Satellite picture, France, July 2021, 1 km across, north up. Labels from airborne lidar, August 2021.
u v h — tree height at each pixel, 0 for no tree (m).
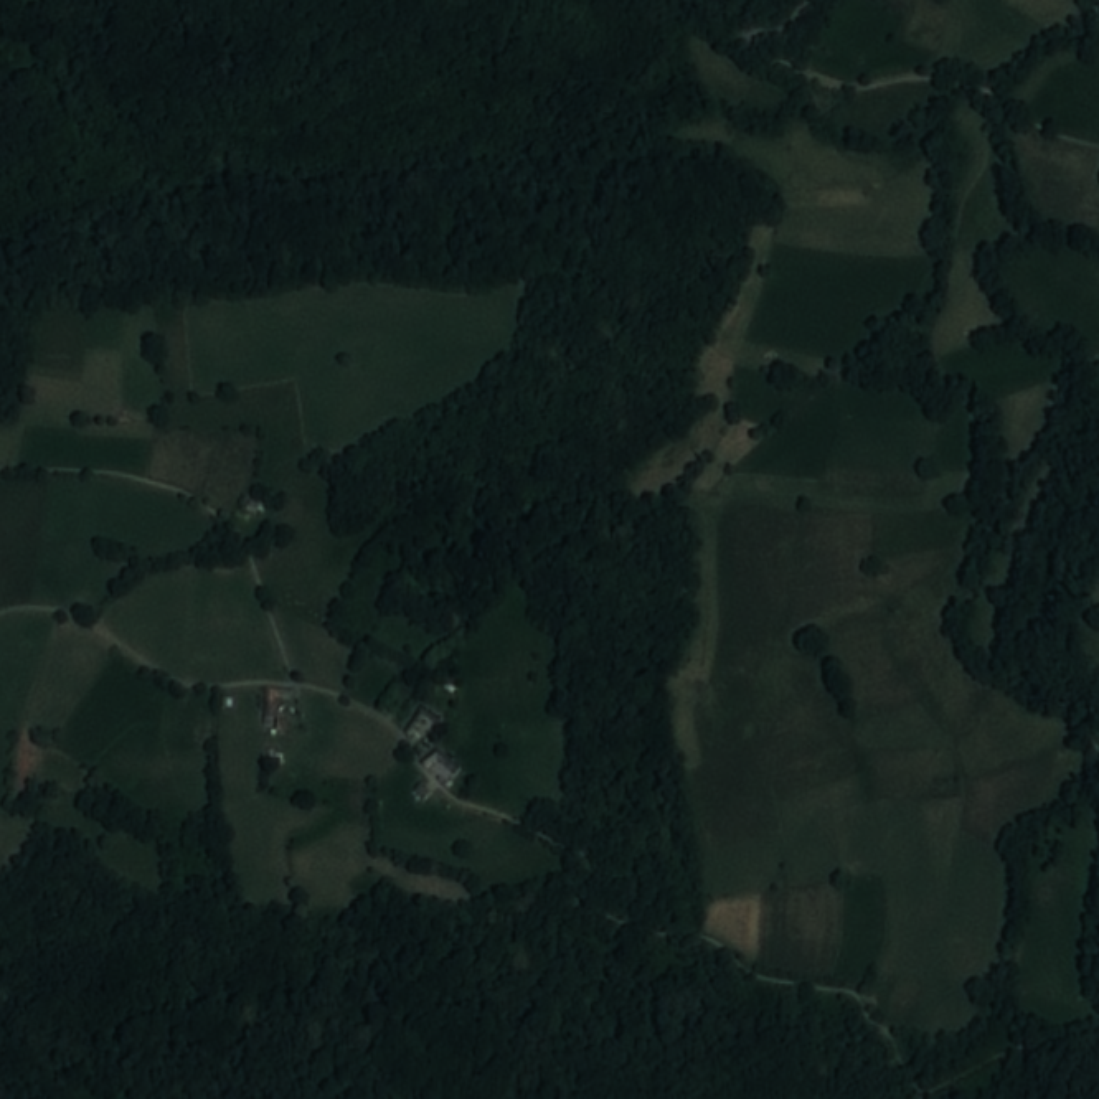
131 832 19
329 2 28
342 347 0
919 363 29
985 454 28
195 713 0
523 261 23
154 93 20
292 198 31
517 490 21
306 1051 15
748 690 0
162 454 0
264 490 12
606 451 26
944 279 14
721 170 25
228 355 0
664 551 22
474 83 14
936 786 0
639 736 25
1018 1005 11
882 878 0
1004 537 23
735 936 0
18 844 0
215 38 23
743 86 0
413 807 0
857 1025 21
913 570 0
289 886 12
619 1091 21
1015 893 18
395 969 31
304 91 22
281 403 0
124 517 0
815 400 0
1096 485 26
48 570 0
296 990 24
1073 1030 17
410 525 14
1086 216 0
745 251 15
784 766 0
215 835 18
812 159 0
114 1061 27
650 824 34
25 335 18
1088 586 21
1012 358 0
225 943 13
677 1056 22
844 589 0
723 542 0
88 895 17
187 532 0
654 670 28
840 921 0
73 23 12
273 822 0
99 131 16
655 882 22
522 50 26
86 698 0
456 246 26
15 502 0
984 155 0
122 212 19
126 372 0
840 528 0
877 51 0
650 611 26
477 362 0
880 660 0
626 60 17
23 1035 29
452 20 18
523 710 0
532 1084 23
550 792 0
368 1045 18
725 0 21
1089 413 28
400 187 22
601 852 22
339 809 0
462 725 0
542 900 20
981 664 25
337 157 16
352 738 0
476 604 20
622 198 30
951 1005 0
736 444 0
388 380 0
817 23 24
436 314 0
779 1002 14
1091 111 0
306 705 0
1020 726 0
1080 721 23
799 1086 21
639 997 25
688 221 18
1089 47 23
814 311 0
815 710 0
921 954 0
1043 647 27
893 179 0
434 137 17
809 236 0
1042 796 0
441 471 26
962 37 0
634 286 27
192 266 27
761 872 0
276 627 0
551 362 20
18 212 8
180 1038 25
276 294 6
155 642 0
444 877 17
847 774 0
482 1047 38
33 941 11
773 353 0
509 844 0
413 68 16
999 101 14
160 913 19
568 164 29
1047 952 0
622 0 23
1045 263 0
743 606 0
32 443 0
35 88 37
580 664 31
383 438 17
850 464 0
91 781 14
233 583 0
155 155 11
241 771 0
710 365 0
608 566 26
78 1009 14
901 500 0
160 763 0
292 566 0
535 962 15
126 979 28
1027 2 0
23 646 0
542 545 27
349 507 23
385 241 28
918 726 0
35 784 13
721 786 0
